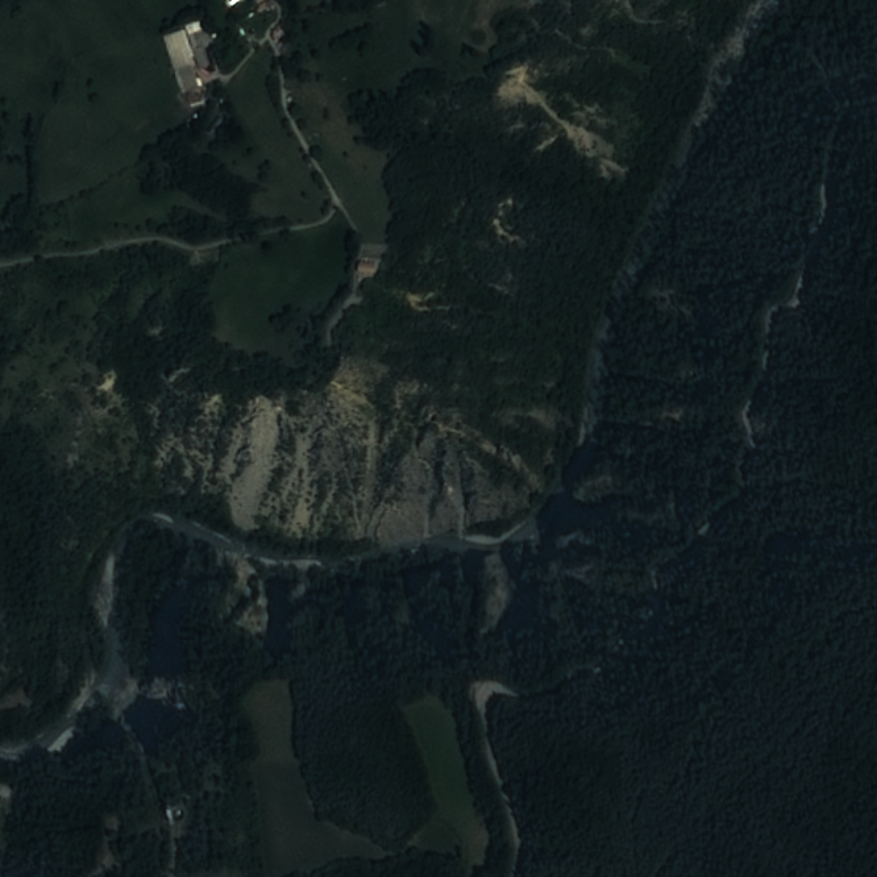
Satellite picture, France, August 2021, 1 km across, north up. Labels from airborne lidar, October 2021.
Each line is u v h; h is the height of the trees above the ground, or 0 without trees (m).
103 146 0
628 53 12
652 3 10
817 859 16
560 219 22
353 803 11
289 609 7
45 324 6
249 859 6
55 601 6
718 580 13
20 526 17
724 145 11
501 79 12
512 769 12
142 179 6
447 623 9
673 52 18
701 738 9
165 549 18
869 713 14
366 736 17
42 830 9
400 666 16
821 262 16
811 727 17
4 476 15
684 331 10
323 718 17
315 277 0
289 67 13
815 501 11
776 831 15
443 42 0
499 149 15
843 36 12
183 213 9
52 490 9
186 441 7
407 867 21
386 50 0
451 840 0
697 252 7
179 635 13
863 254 19
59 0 0
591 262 16
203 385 7
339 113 0
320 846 0
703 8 13
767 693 18
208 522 8
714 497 10
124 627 13
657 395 13
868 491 14
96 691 0
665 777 16
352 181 0
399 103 14
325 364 9
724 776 15
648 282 17
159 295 8
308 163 8
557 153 16
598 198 18
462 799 0
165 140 14
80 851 12
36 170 17
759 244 12
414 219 21
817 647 15
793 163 12
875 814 23
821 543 9
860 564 7
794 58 18
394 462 6
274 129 0
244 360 18
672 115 15
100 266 7
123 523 10
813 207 16
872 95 11
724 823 11
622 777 19
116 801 12
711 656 11
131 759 9
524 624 8
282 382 9
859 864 20
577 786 27
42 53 0
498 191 13
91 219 0
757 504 15
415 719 0
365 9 14
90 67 0
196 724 10
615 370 13
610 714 10
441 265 11
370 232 0
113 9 0
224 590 6
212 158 14
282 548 20
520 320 11
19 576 17
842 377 16
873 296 21
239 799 6
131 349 16
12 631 14
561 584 11
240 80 0
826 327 14
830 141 11
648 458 13
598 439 16
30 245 13
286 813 0
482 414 11
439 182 13
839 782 18
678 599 6
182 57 0
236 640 6
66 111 0
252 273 0
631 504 9
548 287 23
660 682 16
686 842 10
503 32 13
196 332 14
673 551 6
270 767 0
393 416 9
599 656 10
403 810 12
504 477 22
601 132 11
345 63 0
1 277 8
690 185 8
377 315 11
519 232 16
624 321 24
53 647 21
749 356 13
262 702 0
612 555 10
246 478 0
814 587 8
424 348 10
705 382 5
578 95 12
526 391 14
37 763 8
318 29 0
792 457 11
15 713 14
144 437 6
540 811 24
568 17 14
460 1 0
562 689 18
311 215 0
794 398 18
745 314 14
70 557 10
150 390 7
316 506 6
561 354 11
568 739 14
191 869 9
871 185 16
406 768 22
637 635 7
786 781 13
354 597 7
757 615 10
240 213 11
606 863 13
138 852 14
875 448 14
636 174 22
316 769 13
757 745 16
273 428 0
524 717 16
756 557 14
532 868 13
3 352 18
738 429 10
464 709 16
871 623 14
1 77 0
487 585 7
